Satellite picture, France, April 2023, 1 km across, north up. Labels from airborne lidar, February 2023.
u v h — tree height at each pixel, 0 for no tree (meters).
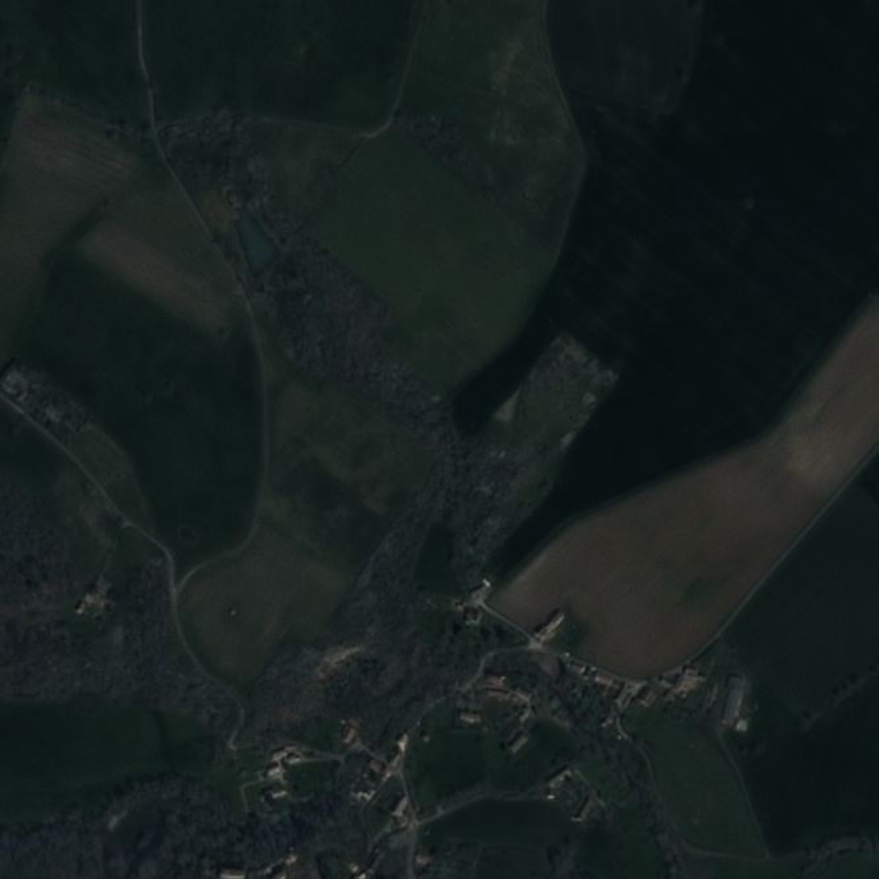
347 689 12
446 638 12
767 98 0
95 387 0
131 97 0
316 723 16
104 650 0
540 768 0
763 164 0
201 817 20
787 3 0
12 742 0
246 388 0
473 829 0
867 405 0
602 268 0
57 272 0
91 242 0
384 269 0
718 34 0
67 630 15
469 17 0
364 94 0
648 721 0
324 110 0
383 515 0
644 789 18
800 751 0
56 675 8
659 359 0
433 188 0
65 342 0
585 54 0
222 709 16
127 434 0
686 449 0
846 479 0
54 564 13
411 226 0
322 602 0
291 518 0
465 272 0
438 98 0
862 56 0
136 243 0
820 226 0
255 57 0
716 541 0
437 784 0
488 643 21
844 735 0
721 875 0
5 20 0
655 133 0
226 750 8
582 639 0
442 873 6
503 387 0
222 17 0
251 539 0
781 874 0
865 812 0
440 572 0
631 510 0
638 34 0
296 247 11
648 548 0
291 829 22
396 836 5
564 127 0
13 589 14
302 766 0
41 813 0
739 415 0
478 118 0
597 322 0
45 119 0
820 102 0
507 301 0
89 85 0
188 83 0
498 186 0
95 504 0
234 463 0
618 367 0
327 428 0
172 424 0
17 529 12
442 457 8
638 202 0
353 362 19
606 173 0
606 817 11
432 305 0
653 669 0
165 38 0
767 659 0
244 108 0
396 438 0
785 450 0
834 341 0
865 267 0
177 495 0
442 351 0
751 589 0
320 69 0
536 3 0
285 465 0
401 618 12
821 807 0
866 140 0
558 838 0
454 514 17
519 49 0
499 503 10
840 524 0
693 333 0
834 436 0
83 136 0
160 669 11
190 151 0
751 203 14
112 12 0
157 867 24
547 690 18
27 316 0
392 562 15
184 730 0
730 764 0
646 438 0
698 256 0
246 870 8
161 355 0
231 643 0
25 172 0
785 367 0
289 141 0
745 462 0
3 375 6
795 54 0
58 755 0
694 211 0
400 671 11
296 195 0
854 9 0
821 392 0
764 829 0
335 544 0
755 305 0
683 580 0
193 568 0
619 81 0
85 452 0
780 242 0
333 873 23
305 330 12
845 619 0
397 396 10
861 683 15
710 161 0
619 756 20
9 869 15
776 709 0
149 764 0
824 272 0
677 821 0
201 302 0
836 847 19
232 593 0
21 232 0
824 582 0
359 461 0
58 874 13
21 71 0
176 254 0
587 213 0
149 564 0
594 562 0
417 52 0
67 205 0
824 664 0
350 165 0
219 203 0
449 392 0
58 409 12
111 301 0
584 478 0
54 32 0
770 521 0
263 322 0
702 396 0
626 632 0
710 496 0
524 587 0
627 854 0
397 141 0
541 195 0
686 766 0
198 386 0
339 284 9
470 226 0
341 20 0
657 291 0
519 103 0
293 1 0
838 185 0
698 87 0
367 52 0
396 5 0
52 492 0
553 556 0
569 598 0
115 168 0
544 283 0
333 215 0
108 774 0
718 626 0
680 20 0
